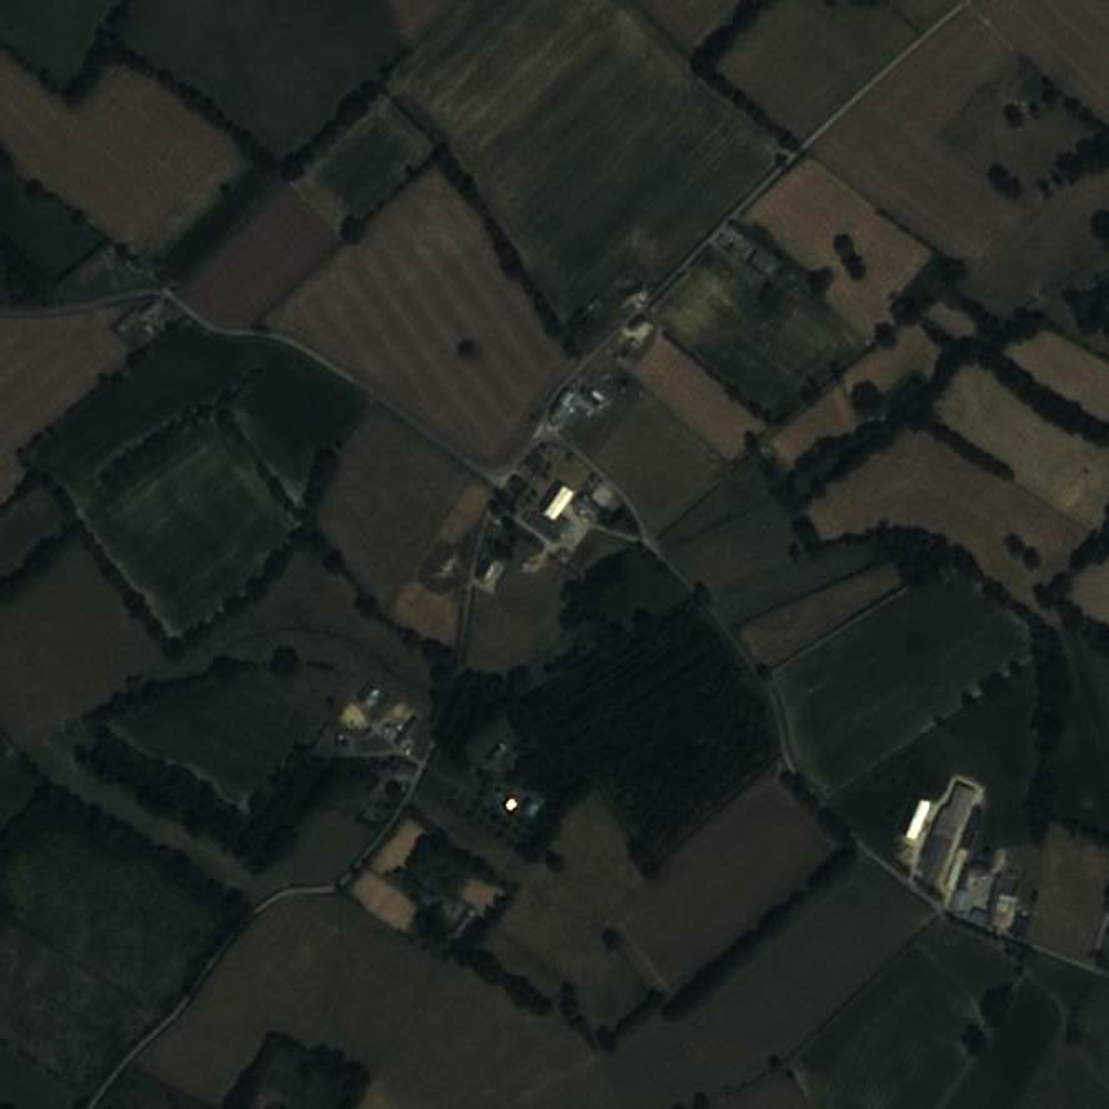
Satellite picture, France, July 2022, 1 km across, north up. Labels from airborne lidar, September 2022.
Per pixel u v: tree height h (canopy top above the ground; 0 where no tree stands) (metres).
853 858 12
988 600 10
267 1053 9
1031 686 0
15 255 12
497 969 19
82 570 0
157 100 0
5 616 0
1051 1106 0
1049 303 0
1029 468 0
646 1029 0
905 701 0
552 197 0
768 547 0
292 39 0
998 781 0
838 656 0
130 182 0
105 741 15
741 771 7
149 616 12
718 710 7
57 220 0
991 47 0
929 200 0
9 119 0
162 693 13
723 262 0
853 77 0
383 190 0
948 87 0
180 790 19
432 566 0
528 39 0
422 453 0
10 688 0
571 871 0
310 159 16
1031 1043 0
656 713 7
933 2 0
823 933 0
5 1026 0
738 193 0
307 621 0
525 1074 0
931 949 0
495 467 0
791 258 0
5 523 0
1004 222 0
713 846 0
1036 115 15
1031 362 0
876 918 0
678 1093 0
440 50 0
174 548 0
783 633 0
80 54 0
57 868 0
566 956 0
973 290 0
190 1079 0
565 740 8
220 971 0
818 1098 0
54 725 0
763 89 0
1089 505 0
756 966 0
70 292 0
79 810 21
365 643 0
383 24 0
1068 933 0
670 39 0
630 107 0
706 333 0
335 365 0
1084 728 0
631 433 0
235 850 7
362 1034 0
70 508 18
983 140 0
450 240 0
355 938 0
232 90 0
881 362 0
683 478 0
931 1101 0
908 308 20
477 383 0
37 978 0
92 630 0
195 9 0
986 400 0
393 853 0
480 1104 0
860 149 0
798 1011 0
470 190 16
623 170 0
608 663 9
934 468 0
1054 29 0
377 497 0
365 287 0
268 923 0
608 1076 0
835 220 0
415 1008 0
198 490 0
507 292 0
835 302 0
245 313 0
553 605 0
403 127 0
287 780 11
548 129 0
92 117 0
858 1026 0
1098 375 0
